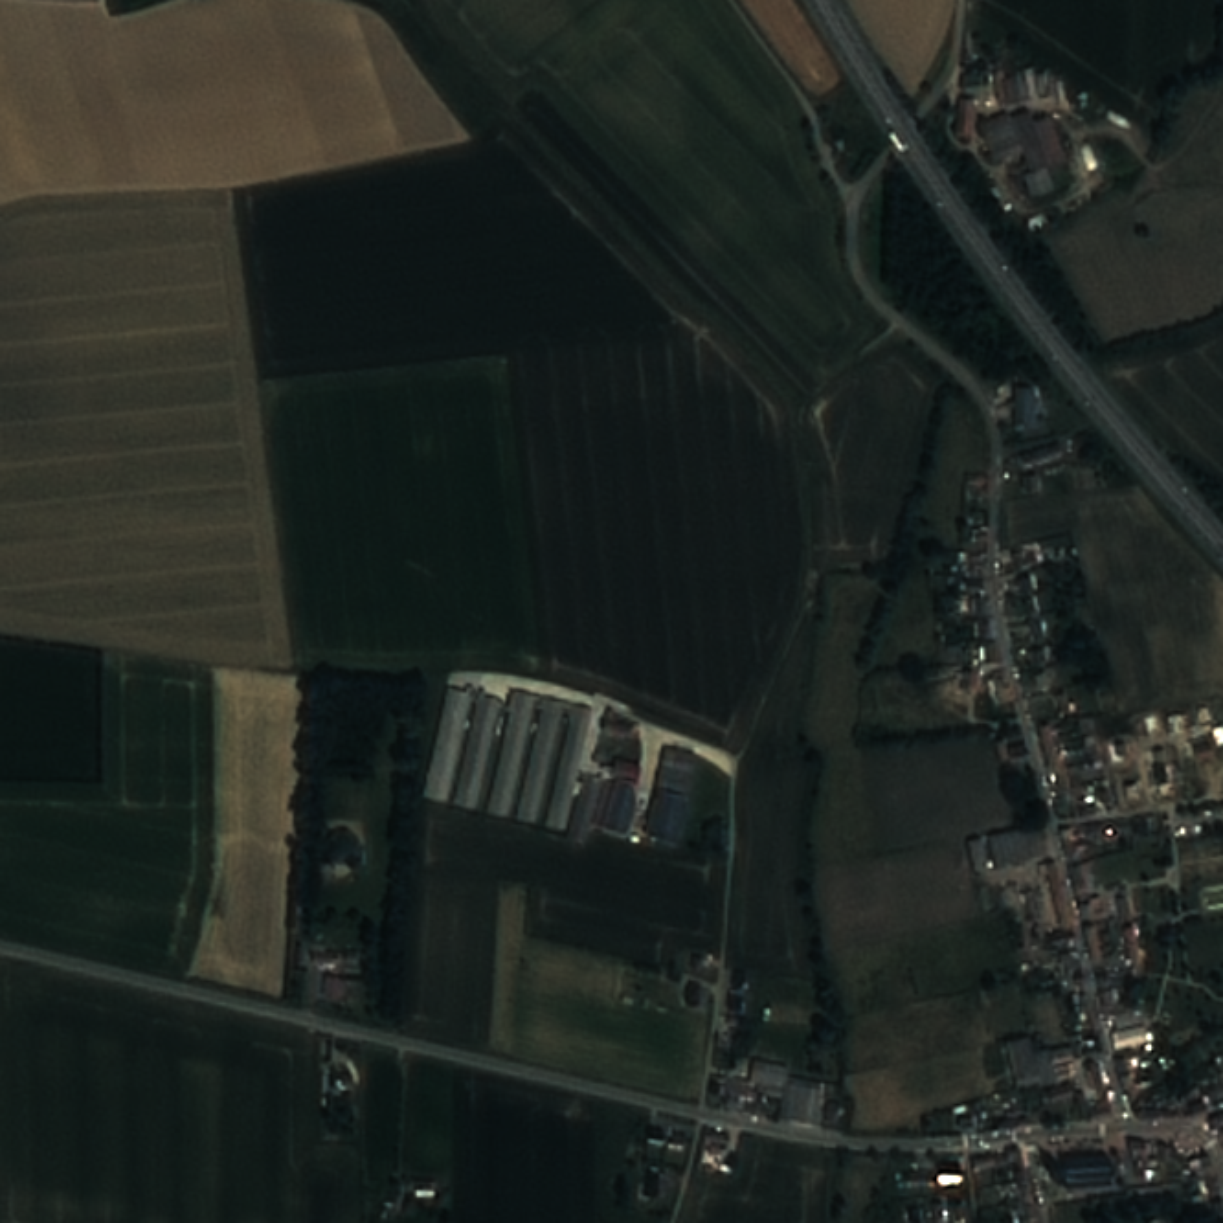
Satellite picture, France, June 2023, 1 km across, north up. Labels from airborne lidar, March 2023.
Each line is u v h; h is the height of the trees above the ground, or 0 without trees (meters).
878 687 0
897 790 0
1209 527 0
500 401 0
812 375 0
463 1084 0
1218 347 0
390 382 0
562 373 0
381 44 0
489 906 0
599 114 0
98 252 0
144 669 0
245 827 0
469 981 0
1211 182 0
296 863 15
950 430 0
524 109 0
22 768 0
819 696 0
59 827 0
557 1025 0
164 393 0
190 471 0
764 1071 0
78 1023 0
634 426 0
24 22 0
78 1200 0
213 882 0
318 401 0
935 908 0
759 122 0
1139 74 0
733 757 0
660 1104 0
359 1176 0
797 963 0
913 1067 0
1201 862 0
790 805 0
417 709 17
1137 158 0
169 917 0
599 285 0
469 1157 0
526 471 0
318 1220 0
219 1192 0
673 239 0
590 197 0
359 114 0
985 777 0
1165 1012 0
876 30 0
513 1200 0
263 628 0
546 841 0
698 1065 0
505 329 0
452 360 0
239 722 0
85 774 0
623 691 0
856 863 0
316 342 0
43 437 0
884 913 0
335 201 0
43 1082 0
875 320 0
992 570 0
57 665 0
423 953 0
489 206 0
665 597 0
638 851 0
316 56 0
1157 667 0
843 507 0
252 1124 0
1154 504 0
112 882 0
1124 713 0
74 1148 0
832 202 0
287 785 0
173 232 0
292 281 0
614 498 0
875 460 0
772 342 0
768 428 0
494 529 0
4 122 0
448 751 0
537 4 0
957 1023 0
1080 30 0
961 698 0
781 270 0
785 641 0
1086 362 0
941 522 0
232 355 0
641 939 0
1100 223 0
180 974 0
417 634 0
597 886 0
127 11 0
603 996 0
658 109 0
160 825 0
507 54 0
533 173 0
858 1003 0
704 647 0
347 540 0
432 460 0
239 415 0
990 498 0
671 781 0
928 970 0
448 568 0
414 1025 0
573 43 0
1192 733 0
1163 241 0
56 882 0
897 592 13
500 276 0
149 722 0
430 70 0
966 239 0
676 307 0
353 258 0
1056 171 0
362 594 0
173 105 0
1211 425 0
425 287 0
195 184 0
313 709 16
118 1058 0
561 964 0
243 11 0
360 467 0
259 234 0
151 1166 0
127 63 0
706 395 0
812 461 0
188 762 0
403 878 17
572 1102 0
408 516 0
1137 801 0
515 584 0
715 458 0
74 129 0
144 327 0
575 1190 0
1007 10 0
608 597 0
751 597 0
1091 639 18
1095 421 0
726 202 0
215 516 0
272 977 0
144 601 0
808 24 0
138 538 0
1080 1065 0
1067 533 0
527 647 0
